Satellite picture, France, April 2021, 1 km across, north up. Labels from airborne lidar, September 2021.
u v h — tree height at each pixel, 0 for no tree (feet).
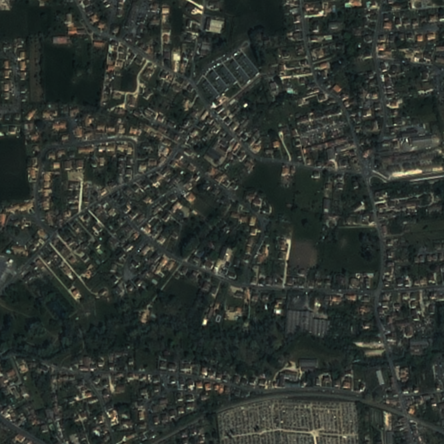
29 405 28
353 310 26
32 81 0
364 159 21
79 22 22
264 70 0
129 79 0
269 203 25
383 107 0
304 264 0
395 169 40
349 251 0
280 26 0
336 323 25
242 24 0
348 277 52
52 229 24
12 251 18
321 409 0
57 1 33
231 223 26
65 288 0
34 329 88
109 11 0
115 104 0
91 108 60
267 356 41
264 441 0
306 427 0
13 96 0
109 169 23
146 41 0
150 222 0
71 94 0
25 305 0
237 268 27
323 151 24
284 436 0
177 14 0
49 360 0
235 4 0
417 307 20
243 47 0
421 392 0
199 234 72
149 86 0
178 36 0
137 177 0
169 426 35
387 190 26
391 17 0
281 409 0
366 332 21
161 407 0
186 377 0
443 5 0
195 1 0
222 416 0
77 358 55
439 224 0
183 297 0
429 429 0
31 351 51
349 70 23
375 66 0
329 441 0
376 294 0
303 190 0
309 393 0
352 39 30
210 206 0
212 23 0
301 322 0
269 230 44
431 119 0
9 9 0
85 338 49
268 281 0
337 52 38
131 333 53
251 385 18
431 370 46
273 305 23
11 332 111
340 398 0
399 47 41
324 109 33
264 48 26
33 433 40
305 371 0
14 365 0
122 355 18
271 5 0
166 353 44
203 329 34
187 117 20
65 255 0
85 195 0
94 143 0
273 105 23
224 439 0
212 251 39
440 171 0
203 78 0
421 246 0
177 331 40
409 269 28
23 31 0
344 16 39
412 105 38
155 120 0
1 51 36
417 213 17
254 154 0
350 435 0
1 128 33
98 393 0
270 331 81
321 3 23
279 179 0
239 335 30
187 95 35
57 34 0
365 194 0
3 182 0
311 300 22
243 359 100
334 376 47
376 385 0
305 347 0
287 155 33
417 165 32
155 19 0
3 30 0
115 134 0
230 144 20
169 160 0
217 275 0
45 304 53
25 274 0
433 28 0
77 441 20
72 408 19
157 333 31
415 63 0
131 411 26
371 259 78
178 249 0
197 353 24
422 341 0
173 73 0
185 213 0
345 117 19
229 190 0
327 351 0
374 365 37
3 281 0
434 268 26
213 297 37
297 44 23
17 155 0
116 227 29
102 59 28
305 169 0
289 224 0
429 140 0
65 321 68
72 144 0
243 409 0
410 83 37
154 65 0
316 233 0
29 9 0
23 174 0
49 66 0
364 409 29
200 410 22
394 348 41
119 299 47
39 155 52
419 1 0
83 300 33
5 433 28
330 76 33
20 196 0
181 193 0
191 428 22
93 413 20
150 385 29
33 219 0
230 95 0
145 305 24
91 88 0
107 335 48
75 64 34
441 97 0
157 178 0
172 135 38
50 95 0
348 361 37
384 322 31
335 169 0
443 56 0
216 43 27
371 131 0
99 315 0
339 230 34
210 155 0
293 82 20
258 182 0
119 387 0
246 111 36
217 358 87
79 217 0
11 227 26
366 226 0
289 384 0
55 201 41
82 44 0
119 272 24
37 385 49
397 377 0
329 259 0
